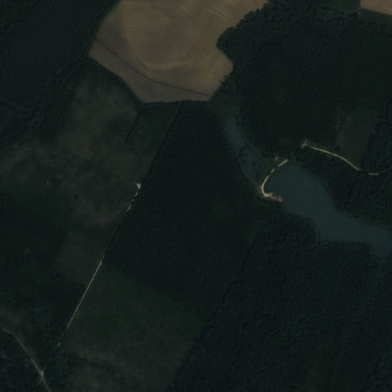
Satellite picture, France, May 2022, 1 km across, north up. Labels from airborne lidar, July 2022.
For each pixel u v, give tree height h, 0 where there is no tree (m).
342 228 0
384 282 23
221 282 13
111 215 0
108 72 11
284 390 21
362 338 21
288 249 28
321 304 18
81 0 29
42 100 13
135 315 0
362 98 8
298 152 20
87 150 0
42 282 14
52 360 7
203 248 13
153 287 13
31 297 12
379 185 27
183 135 15
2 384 25
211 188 12
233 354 27
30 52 28
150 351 0
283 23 23
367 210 23
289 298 19
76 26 29
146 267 14
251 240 16
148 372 0
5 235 7
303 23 14
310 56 13
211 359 26
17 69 27
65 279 7
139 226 13
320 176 9
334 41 14
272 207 16
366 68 9
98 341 0
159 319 0
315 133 6
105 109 0
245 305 24
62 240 8
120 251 14
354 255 19
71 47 31
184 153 16
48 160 0
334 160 12
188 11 0
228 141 18
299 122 6
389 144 26
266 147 6
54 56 29
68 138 0
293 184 0
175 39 0
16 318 0
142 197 8
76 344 0
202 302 12
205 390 29
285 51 17
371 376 24
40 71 31
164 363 0
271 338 26
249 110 15
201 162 11
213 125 17
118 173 0
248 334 25
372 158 19
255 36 24
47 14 27
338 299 17
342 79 11
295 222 26
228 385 30
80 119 0
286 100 6
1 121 0
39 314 25
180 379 22
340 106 7
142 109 10
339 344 17
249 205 16
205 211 11
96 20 13
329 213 0
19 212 8
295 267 24
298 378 22
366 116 0
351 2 0
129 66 0
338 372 8
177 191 13
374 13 0
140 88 0
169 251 13
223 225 14
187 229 10
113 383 0
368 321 21
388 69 7
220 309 19
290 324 25
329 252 17
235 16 0
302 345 24
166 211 12
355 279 21
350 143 0
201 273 11
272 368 28
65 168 0
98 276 0
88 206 0
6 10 29
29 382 27
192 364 21
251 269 23
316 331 28
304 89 6
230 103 33
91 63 8
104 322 0
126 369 0
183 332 0
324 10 17
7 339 20
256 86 13
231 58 19
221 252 14
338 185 17
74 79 7
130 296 0
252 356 22
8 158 0
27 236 8
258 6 0
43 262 9
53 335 27
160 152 12
